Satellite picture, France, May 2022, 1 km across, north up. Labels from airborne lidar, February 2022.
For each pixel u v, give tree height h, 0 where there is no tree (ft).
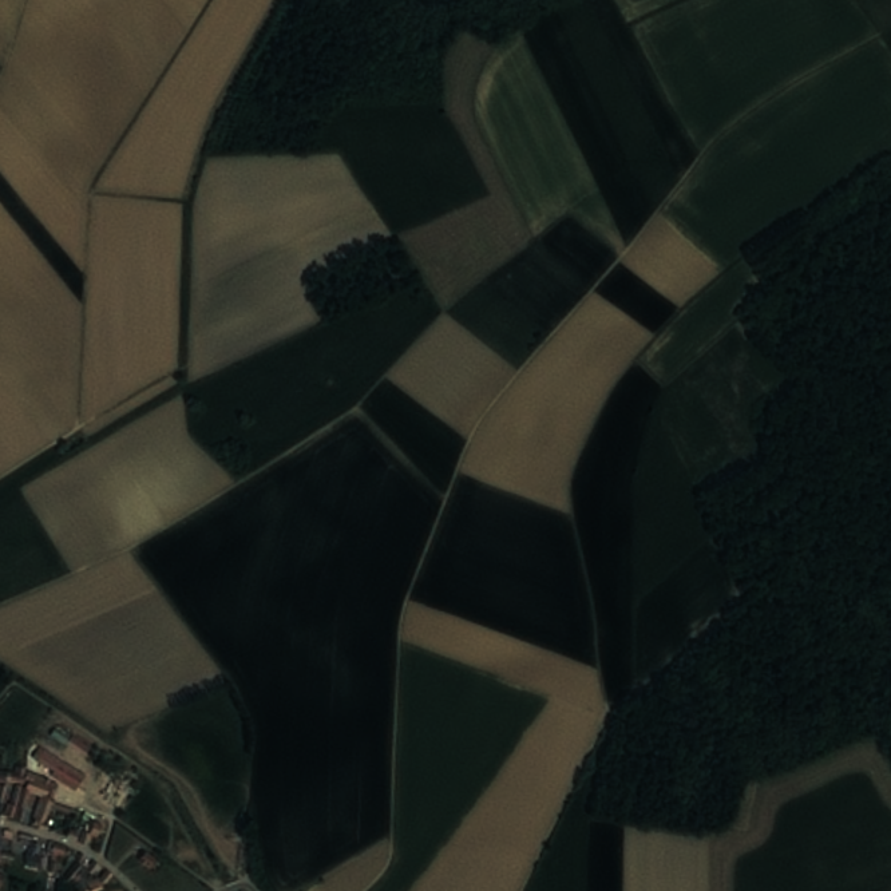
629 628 0
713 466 0
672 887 0
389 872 0
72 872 0
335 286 70
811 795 0
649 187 0
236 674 0
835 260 35
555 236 0
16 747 0
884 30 0
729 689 83
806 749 54
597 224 0
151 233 0
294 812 0
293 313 0
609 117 0
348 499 0
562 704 0
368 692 0
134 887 0
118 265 0
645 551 0
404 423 0
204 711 0
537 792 0
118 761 86
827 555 79
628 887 0
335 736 0
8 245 0
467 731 0
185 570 0
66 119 0
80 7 0
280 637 0
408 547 0
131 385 0
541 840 0
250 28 0
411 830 0
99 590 0
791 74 0
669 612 0
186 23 0
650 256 0
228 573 0
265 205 0
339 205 0
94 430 0
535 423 0
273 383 0
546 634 0
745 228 0
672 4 0
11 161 0
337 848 0
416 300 24
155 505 0
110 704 0
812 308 83
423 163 0
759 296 63
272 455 0
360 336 0
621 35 0
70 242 0
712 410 0
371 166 0
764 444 61
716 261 0
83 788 0
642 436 0
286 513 0
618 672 0
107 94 0
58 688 0
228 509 0
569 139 0
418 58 68
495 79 0
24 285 0
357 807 0
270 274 0
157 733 0
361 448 0
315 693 0
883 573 69
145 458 0
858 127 0
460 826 0
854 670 82
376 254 68
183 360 0
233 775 0
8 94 0
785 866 0
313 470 0
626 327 0
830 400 70
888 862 0
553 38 0
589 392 0
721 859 0
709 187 0
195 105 0
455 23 60
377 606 0
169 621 0
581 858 0
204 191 0
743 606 59
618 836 0
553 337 0
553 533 0
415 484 0
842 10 0
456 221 0
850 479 83
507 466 0
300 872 0
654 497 0
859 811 0
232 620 0
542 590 0
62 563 0
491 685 0
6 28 0
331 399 0
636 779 58
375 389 0
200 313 0
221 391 0
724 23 0
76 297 0
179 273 0
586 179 0
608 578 0
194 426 0
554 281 0
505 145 0
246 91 41
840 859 0
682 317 0
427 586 0
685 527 0
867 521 84
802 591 72
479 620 0
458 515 0
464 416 0
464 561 0
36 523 0
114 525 0
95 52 0
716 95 0
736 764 77
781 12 0
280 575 0
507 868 0
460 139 0
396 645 0
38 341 0
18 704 0
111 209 0
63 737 0
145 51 0
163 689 0
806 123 0
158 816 0
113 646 0
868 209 83
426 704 0
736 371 0
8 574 0
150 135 0
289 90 60
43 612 0
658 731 76
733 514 78
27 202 0
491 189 0
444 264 0
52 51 0
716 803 78
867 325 85
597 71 0
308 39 89
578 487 0
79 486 0
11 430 0
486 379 0
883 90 0
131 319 0
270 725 0
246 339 0
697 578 0
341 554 0
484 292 0
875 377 90
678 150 0
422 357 0
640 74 0
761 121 0
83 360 0
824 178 0
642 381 0
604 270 0
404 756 0
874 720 62
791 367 69
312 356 0
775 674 66
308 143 37
